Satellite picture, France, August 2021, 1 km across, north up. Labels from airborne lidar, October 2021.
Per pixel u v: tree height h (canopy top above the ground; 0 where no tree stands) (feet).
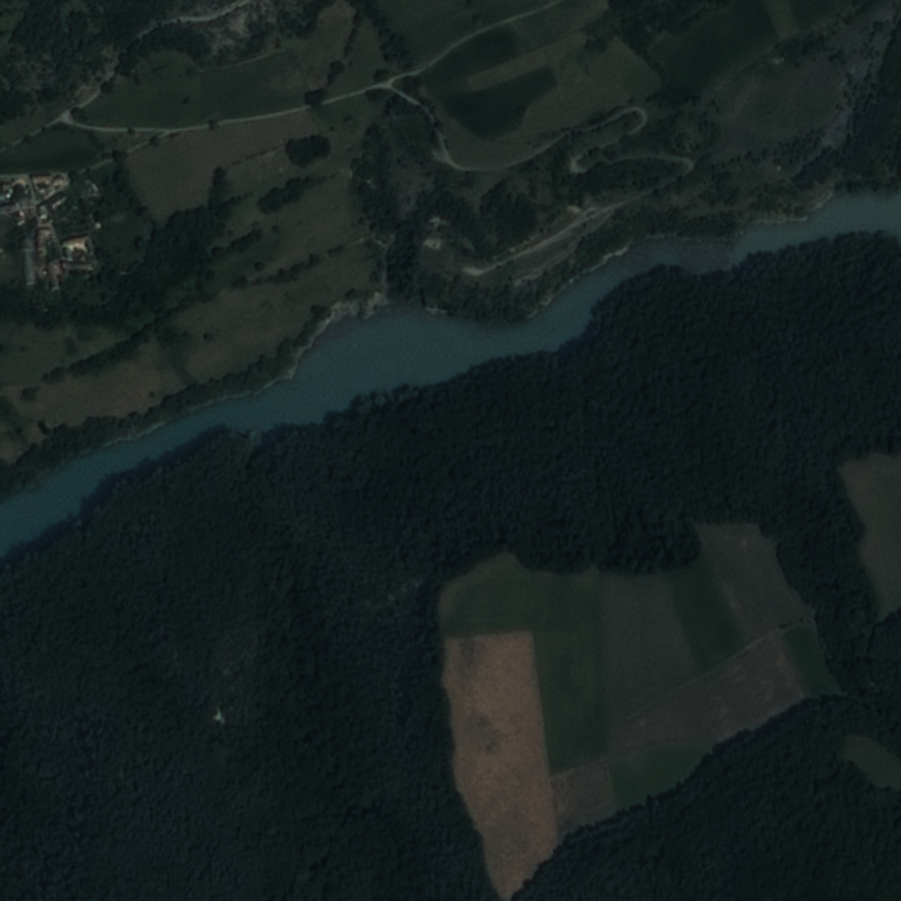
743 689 0
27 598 36
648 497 38
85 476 0
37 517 0
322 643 54
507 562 0
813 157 34
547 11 0
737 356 61
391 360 0
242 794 48
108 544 49
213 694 37
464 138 0
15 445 0
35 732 33
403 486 80
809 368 74
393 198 25
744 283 34
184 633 48
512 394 85
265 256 0
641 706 0
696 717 0
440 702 41
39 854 63
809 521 59
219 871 59
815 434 35
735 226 35
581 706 0
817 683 0
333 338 0
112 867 57
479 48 0
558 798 0
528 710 0
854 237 45
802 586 59
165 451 0
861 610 46
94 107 0
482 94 0
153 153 0
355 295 29
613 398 67
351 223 0
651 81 0
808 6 0
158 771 54
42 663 26
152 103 0
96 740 29
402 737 37
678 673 0
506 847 0
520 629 0
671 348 66
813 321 62
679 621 0
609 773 0
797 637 0
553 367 56
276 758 60
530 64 0
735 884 43
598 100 0
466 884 60
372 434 70
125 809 64
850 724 66
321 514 50
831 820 67
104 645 44
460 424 75
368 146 36
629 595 0
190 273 25
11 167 0
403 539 51
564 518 45
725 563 0
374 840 79
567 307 0
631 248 0
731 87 0
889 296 70
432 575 25
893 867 94
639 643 0
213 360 0
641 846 86
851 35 0
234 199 31
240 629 26
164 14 29
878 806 57
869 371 49
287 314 0
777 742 64
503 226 29
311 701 75
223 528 45
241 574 39
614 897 25
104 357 22
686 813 60
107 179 23
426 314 0
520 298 29
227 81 0
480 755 0
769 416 41
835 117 0
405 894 98
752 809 50
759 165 21
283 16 24
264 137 0
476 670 0
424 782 46
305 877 102
